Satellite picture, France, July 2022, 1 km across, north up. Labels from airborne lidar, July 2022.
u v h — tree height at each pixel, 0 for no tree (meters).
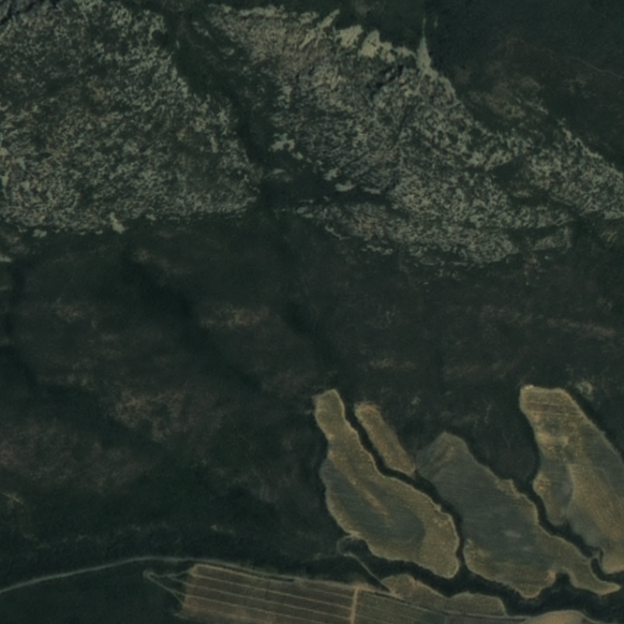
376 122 0
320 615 0
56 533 7
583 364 0
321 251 0
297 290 0
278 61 0
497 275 0
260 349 0
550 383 0
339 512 0
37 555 6
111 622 0
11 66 0
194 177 0
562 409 0
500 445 0
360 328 0
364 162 0
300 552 0
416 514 0
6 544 6
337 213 0
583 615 0
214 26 0
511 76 0
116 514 5
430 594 0
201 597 0
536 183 0
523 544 0
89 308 0
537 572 0
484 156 0
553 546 0
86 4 0
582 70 0
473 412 0
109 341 0
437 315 0
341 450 0
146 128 0
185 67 0
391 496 0
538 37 0
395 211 0
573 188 0
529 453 0
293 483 0
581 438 0
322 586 0
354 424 10
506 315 0
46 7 0
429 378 0
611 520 0
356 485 0
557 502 0
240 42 0
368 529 0
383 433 0
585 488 0
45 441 0
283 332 0
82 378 0
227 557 7
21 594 0
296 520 0
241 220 7
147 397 0
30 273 0
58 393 7
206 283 0
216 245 0
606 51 0
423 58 0
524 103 0
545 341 0
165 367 0
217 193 0
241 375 7
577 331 0
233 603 0
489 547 0
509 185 0
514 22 0
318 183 7
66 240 0
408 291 0
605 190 0
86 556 5
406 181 0
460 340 0
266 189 6
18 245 0
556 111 0
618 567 0
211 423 0
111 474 0
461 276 0
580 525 0
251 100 0
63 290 0
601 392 0
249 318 0
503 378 0
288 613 0
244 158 6
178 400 0
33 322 0
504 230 0
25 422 0
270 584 0
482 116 0
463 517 0
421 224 0
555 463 0
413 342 0
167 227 0
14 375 7
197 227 0
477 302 0
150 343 0
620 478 0
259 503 6
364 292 0
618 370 0
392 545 0
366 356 0
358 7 0
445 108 0
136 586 6
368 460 0
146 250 0
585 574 0
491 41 0
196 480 6
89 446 0
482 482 0
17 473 0
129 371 0
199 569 0
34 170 0
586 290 0
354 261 0
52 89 0
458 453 0
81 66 0
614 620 7
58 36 0
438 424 0
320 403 0
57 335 0
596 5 7
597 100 0
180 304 5
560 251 0
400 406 0
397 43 6
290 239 0
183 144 0
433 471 0
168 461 7
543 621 0
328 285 0
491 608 0
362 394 0
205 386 0
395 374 0
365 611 0
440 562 0
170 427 0
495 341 0
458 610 0
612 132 0
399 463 0
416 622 0
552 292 0
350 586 0
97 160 0
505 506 0
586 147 0
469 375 0
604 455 0
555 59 0
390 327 0
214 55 0
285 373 0
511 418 0
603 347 0
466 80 0
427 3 7
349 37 0
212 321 0
